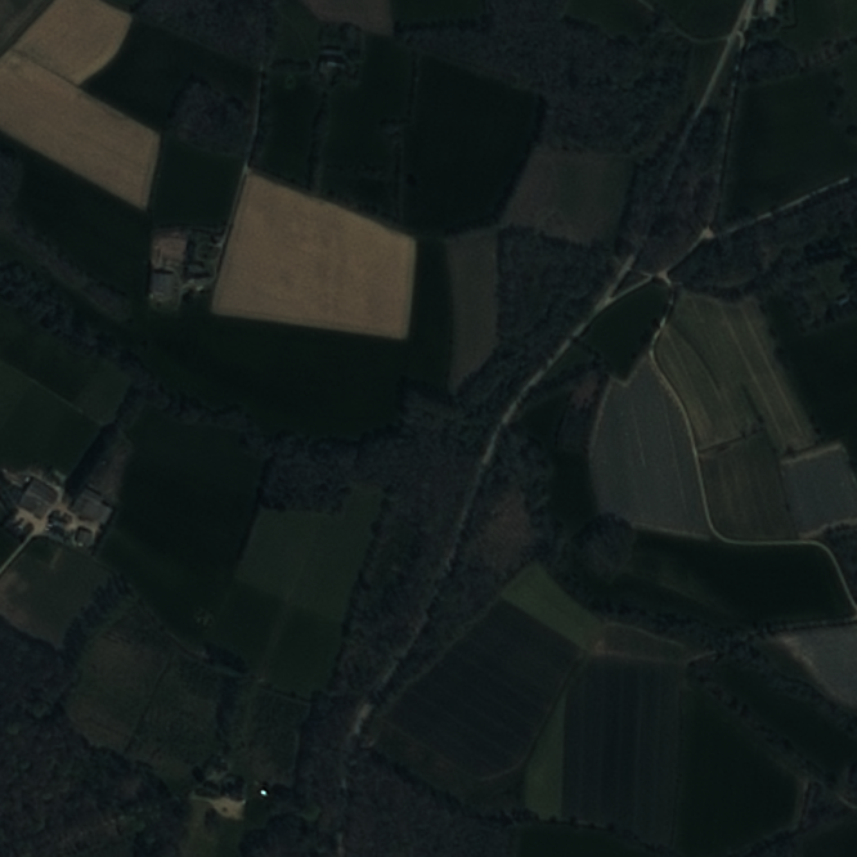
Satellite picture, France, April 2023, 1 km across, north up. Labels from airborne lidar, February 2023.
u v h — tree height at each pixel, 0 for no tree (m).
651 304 0
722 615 0
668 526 0
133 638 8
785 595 0
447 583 16
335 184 0
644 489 0
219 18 10
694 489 0
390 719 0
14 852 25
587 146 17
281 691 0
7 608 0
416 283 0
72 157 0
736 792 0
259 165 9
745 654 15
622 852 0
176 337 0
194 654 0
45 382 0
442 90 0
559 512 0
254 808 0
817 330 13
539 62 18
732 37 0
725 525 0
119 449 0
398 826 24
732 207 0
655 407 0
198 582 0
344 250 0
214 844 0
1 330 0
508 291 14
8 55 0
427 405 30
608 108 23
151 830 22
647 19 0
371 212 9
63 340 12
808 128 0
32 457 0
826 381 0
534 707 0
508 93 0
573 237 0
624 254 11
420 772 0
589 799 0
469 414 13
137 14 10
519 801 0
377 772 23
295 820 20
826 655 0
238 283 0
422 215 0
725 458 0
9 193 17
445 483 19
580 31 17
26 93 0
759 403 0
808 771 7
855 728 13
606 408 0
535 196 0
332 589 0
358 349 0
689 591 0
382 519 10
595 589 0
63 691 16
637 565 0
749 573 0
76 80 0
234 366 0
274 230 0
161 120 0
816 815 14
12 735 26
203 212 0
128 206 0
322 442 7
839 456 0
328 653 0
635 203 20
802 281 10
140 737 7
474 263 0
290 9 0
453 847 18
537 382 0
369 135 0
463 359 0
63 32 0
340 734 24
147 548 0
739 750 0
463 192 0
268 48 15
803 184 0
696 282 14
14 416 0
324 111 8
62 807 18
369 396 0
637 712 0
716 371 0
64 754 24
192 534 0
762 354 0
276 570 0
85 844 17
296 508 7
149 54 0
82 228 0
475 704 0
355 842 18
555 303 11
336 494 20
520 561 11
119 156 0
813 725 0
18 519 0
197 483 0
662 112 12
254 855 25
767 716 0
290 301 0
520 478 16
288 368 0
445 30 10
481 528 16
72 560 0
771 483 0
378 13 0
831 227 15
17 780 26
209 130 12
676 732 0
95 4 0
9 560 0
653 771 0
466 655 0
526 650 0
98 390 0
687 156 16
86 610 0
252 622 0
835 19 0
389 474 18
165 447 0
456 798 0
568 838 0
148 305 0
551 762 0
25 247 17
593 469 0
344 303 0
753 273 10
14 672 29
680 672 0
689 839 0
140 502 0
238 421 14
